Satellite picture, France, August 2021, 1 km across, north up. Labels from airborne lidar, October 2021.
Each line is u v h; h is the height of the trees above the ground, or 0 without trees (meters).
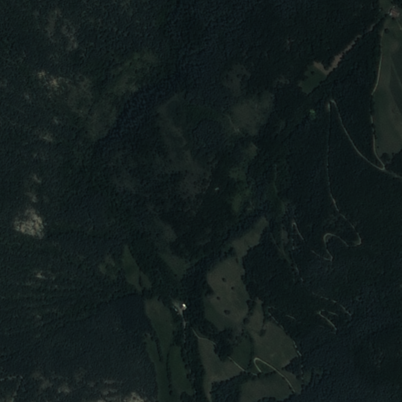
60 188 10
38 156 12
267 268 12
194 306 10
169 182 11
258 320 0
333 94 13
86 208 17
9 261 12
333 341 17
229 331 7
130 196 10
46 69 12
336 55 13
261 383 0
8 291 9
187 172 10
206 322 12
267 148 15
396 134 0
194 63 17
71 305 12
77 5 12
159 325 0
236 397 14
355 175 12
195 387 15
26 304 8
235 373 0
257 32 14
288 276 13
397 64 0
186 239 11
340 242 9
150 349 0
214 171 12
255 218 17
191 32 13
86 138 10
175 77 12
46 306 10
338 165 12
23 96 8
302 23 10
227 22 14
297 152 12
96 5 10
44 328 10
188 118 6
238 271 0
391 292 11
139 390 7
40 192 9
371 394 12
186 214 11
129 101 15
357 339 16
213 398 7
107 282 8
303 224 12
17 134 11
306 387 14
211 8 19
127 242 14
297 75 11
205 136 13
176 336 10
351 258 14
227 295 0
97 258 12
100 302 11
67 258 10
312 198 11
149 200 8
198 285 12
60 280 11
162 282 17
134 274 0
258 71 10
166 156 6
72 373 10
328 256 8
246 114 0
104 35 15
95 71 11
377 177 12
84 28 9
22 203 10
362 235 11
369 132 9
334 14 10
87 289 14
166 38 18
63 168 9
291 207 7
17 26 10
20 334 13
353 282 13
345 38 17
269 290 12
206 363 0
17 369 15
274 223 13
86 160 11
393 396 12
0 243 10
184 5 13
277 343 0
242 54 7
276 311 12
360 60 15
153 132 9
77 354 7
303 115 14
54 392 8
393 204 8
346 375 18
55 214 12
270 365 0
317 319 14
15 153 9
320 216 12
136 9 8
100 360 9
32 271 6
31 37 11
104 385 6
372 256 13
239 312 0
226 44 17
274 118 16
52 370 7
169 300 7
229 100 13
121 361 7
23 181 14
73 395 7
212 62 15
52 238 11
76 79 7
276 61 12
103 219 12
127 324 20
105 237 16
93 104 6
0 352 11
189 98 15
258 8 14
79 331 12
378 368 8
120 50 12
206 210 13
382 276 10
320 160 10
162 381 0
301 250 11
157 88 13
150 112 12
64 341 7
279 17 13
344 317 13
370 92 11
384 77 0
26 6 11
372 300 18
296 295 14
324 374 7
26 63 10
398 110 0
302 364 15
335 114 10
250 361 7
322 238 6
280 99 14
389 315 17
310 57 17
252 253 13
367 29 15
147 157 7
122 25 12
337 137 11
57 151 15
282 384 0
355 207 7
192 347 14
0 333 13
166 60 12
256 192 14
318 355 17
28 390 13
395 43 0
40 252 6
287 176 8
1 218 6
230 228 11
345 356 22
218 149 13
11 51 15
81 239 14
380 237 13
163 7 17
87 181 7
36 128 12
